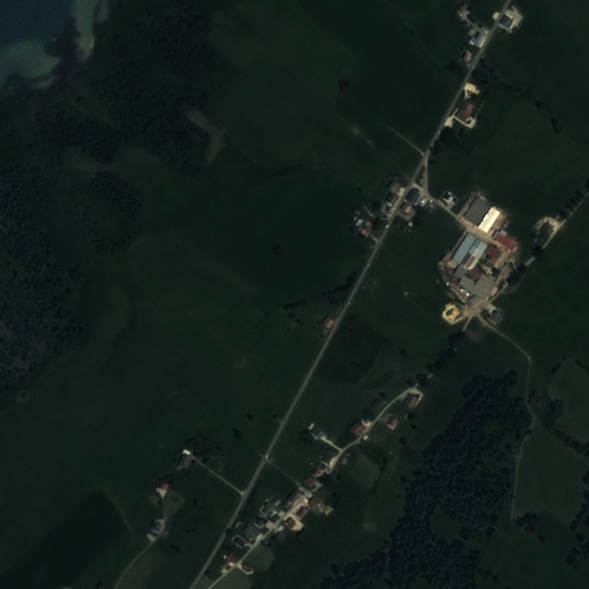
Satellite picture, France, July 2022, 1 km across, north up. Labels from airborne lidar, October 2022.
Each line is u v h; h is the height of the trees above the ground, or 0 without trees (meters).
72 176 0
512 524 0
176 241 0
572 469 0
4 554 0
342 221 0
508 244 0
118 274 0
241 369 0
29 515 0
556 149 0
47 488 0
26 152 0
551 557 0
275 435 0
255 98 0
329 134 0
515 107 0
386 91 0
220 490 0
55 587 0
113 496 0
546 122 0
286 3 0
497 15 0
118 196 16
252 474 0
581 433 0
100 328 0
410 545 31
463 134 11
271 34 0
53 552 0
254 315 0
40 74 0
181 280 0
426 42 0
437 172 0
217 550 0
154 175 0
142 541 0
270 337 0
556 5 0
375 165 0
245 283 0
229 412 0
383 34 0
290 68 0
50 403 0
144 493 0
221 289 0
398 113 0
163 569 0
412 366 0
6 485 0
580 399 0
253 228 0
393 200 0
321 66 0
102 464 0
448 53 0
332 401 0
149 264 0
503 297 0
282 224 0
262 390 0
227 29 0
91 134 13
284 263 0
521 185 0
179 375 0
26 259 14
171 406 0
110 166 0
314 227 0
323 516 0
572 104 0
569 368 0
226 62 0
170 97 8
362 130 0
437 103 0
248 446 0
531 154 0
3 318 12
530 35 0
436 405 0
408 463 0
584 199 19
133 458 0
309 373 0
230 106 0
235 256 0
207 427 0
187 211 0
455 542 0
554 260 0
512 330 0
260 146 0
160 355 0
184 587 0
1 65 0
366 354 0
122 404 0
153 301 0
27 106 0
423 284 0
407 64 0
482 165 0
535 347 0
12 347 8
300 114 0
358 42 0
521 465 0
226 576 0
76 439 0
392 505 0
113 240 0
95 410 0
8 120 0
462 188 0
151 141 6
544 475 0
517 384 11
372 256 0
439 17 0
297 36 0
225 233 0
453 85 0
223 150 0
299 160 0
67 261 0
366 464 0
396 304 0
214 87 0
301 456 0
